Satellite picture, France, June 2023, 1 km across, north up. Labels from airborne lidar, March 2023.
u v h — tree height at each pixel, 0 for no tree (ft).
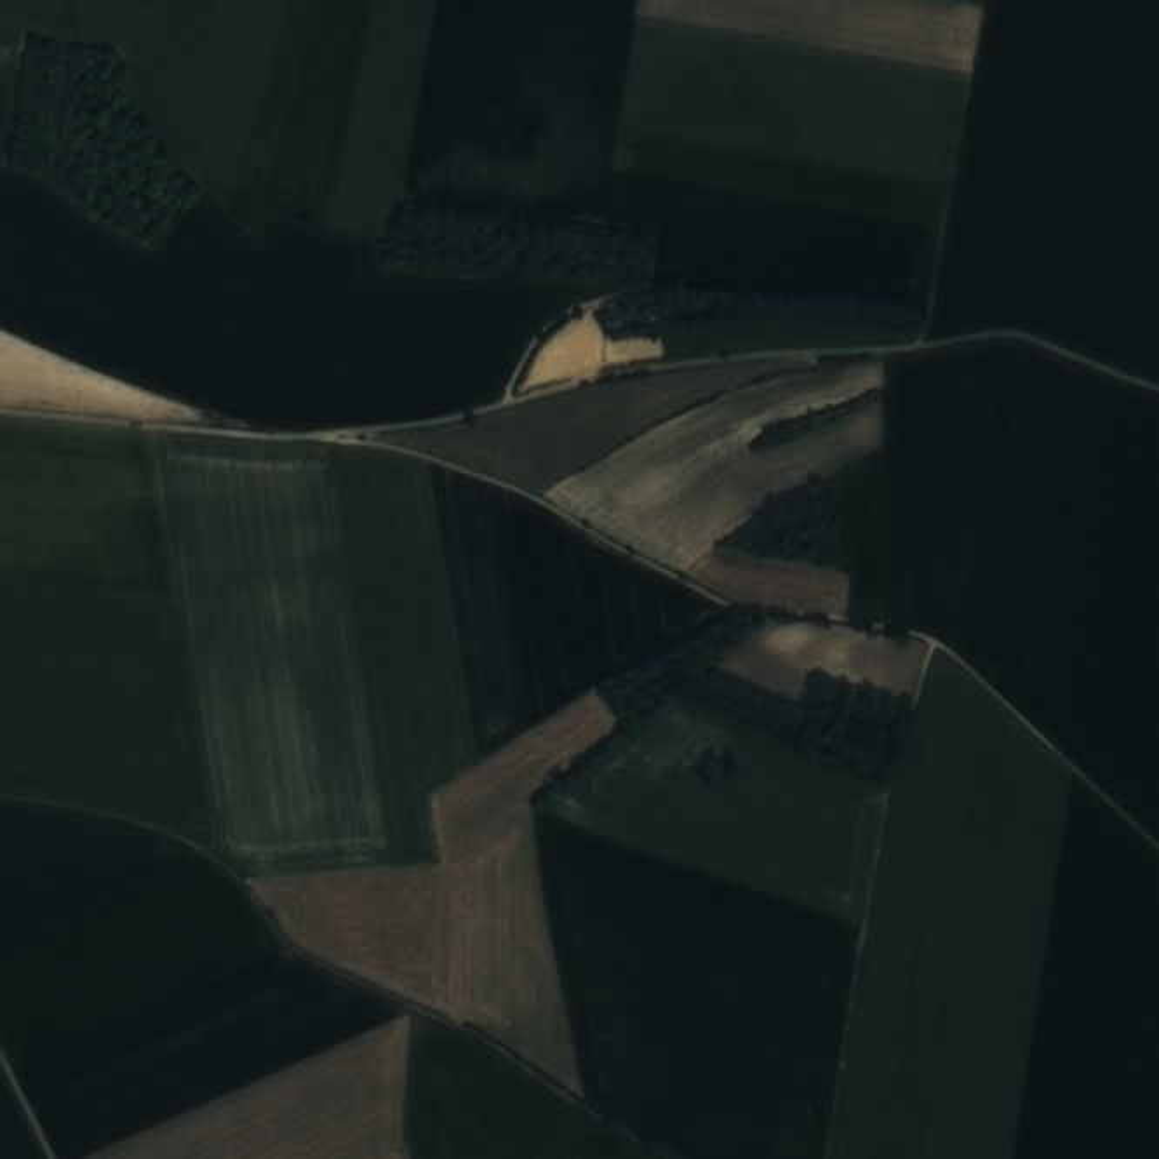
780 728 48
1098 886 0
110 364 0
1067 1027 0
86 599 0
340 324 0
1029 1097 0
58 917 0
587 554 0
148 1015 0
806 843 0
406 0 0
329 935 0
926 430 0
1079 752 0
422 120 0
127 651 0
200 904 0
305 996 0
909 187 0
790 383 0
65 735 0
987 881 0
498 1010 0
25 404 0
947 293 0
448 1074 0
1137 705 0
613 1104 0
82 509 0
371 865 0
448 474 0
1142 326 0
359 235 0
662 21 0
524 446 0
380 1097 0
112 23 0
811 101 0
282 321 0
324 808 0
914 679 0
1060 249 0
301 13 0
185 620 0
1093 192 0
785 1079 0
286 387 0
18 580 0
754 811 0
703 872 0
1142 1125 0
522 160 0
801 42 0
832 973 0
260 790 0
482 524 0
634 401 0
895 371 0
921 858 0
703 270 0
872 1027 0
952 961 0
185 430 0
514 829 0
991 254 0
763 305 56
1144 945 0
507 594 0
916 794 0
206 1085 0
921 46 0
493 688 0
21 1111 0
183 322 0
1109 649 0
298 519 0
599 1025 0
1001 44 0
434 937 0
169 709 0
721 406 0
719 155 0
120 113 50
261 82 0
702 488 0
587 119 0
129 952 0
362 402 0
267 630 0
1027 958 0
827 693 62
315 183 0
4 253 0
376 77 0
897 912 0
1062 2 0
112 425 0
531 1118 0
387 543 0
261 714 0
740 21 0
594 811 0
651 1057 0
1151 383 0
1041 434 0
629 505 0
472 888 0
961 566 0
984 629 0
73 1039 0
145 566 0
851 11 0
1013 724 0
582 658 0
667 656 46
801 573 0
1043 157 0
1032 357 0
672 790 0
